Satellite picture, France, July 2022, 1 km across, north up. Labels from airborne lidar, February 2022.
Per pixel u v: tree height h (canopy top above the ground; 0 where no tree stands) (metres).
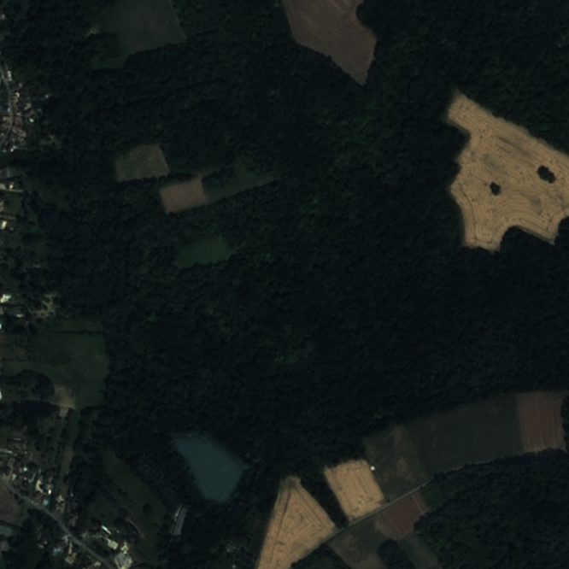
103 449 10
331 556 15
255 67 13
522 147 0
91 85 24
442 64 18
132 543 13
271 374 18
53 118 24
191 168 20
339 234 8
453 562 18
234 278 24
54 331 0
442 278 20
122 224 29
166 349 20
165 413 22
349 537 0
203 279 10
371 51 0
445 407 27
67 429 5
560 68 12
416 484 0
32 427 14
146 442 21
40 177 17
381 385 14
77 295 38
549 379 23
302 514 0
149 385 25
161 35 0
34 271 8
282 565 0
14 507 0
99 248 27
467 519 11
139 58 17
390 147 22
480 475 9
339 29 0
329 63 13
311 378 25
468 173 0
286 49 14
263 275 19
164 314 23
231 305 19
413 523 0
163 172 0
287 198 13
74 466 9
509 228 0
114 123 23
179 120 23
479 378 24
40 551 0
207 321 29
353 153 17
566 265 23
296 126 16
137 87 8
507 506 18
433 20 19
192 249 0
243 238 9
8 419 16
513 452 0
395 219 25
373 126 18
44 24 18
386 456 0
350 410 20
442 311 27
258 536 0
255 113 12
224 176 15
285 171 6
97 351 0
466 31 23
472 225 0
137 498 0
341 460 18
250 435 30
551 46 16
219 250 0
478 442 0
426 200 22
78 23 26
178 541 12
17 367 0
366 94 21
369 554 0
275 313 30
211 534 23
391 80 22
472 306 17
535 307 23
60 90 26
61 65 27
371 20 18
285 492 0
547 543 9
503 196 0
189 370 18
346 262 23
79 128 28
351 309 27
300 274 24
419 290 23
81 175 24
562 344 19
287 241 8
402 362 22
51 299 0
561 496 26
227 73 6
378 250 25
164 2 0
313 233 17
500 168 0
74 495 18
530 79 8
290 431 26
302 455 17
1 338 0
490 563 8
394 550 15
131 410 14
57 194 18
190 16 10
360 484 0
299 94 16
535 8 12
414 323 23
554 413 0
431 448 0
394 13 16
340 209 20
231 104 14
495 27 23
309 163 18
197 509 22
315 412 30
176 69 15
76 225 22
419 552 0
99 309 17
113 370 19
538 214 0
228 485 0
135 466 18
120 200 11
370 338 27
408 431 0
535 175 0
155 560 0
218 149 22
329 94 15
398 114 23
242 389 22
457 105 0
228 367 9
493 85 20
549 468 25
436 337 25
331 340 23
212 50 8
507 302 20
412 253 27
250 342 26
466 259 24
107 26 0
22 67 15
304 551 0
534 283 20
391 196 26
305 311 23
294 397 25
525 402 0
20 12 25
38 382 9
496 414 0
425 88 27
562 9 12
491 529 18
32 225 12
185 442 0
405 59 19
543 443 0
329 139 19
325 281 24
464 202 0
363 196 19
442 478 10
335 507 10
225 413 27
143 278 22
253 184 0
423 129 25
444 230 21
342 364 29
